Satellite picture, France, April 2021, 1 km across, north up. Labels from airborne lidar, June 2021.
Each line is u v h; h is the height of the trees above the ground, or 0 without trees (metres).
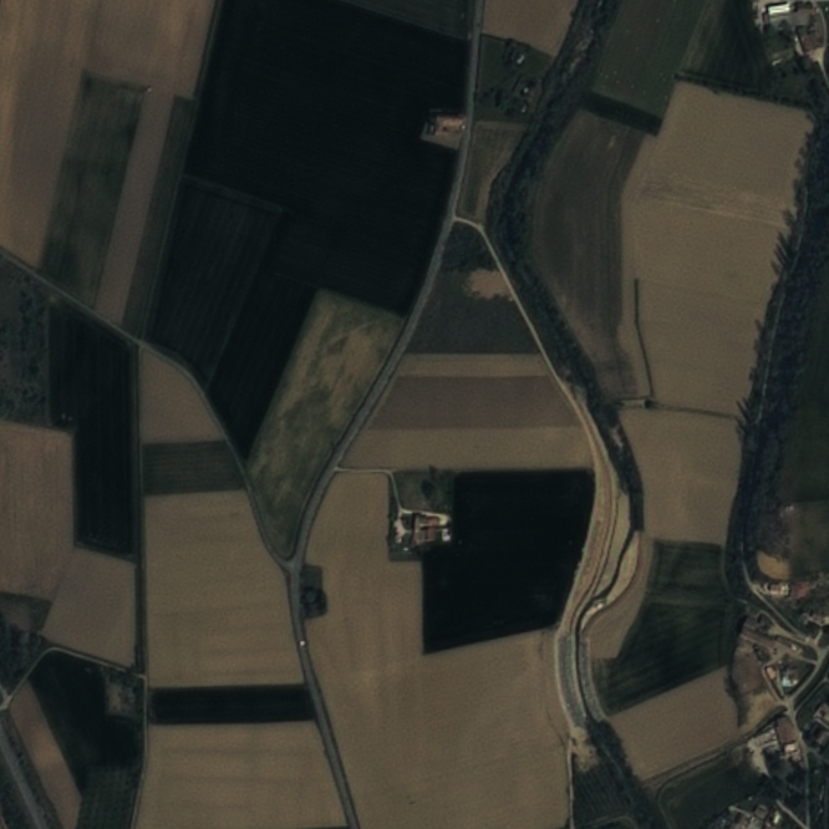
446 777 0
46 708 0
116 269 0
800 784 28
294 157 0
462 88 0
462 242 9
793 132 0
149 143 0
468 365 0
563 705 0
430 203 0
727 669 0
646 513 0
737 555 6
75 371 0
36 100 0
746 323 0
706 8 0
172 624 0
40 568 0
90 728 0
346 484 0
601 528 0
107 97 0
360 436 0
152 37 0
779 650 0
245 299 0
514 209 26
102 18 0
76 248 0
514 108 14
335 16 0
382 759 0
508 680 0
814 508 0
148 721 0
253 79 0
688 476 0
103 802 6
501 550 0
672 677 0
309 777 0
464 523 0
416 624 0
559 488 0
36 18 0
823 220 8
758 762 0
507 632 0
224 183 0
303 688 0
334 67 0
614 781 8
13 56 0
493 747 0
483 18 0
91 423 0
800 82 0
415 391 0
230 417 0
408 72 0
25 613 0
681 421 0
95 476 0
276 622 0
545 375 0
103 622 0
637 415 0
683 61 0
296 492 0
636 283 0
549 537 0
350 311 0
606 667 0
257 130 0
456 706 0
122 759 0
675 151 0
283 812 0
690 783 0
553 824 0
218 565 0
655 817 9
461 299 0
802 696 0
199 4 0
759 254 0
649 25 0
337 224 0
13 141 0
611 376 0
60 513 0
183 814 0
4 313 0
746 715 0
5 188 0
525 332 6
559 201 0
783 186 0
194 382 0
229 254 0
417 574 0
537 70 0
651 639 0
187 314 0
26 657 21
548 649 0
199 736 0
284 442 0
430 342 0
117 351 0
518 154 10
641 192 0
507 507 0
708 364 0
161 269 0
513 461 0
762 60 0
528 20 0
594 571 0
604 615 0
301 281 0
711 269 0
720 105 0
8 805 9
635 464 8
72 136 0
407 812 0
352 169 0
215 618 0
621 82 0
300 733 0
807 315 13
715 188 0
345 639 0
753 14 0
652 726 0
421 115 0
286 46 0
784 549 8
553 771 0
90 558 0
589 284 0
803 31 0
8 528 0
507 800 0
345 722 0
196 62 0
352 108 0
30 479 0
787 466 0
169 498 0
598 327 0
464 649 0
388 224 0
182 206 0
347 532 0
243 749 0
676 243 0
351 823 0
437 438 0
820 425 0
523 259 24
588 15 8
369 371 0
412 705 0
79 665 0
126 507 0
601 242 0
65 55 0
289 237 0
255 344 0
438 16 0
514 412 0
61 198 0
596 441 0
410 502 0
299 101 0
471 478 0
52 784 0
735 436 0
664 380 0
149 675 0
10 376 0
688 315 0
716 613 0
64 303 0
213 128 0
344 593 0
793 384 19
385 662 0
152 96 0
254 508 0
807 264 12
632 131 0
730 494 0
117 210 0
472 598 0
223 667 0
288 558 0
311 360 0
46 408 10
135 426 0
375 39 0
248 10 0
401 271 0
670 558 0
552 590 0
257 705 0
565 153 0
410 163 0
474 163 0
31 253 0
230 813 0
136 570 0
